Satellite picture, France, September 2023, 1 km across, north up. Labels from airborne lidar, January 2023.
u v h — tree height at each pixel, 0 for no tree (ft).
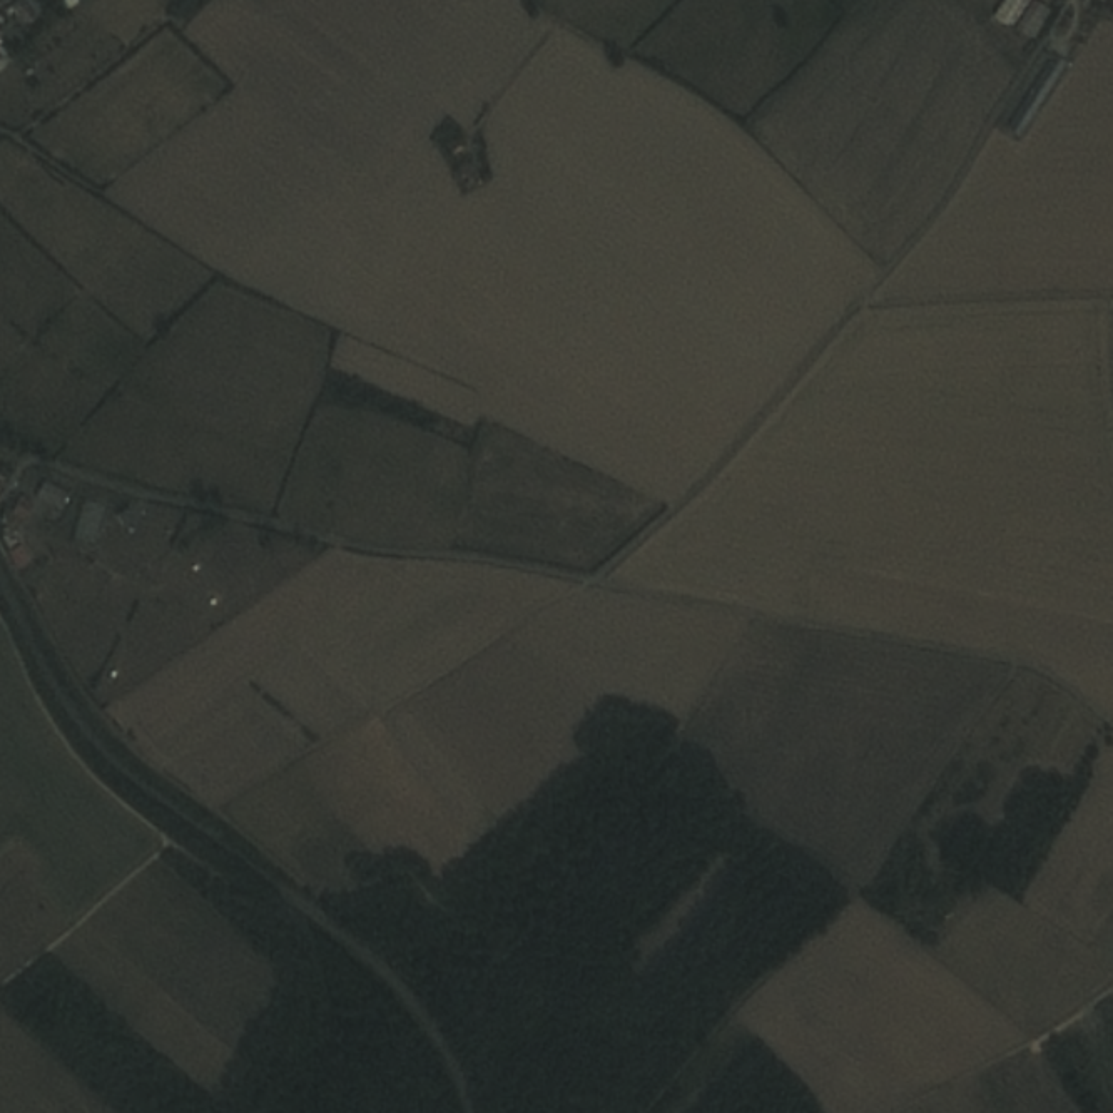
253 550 0
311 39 0
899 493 0
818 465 0
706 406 0
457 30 0
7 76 0
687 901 0
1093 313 0
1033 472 0
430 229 0
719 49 0
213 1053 0
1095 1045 0
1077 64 0
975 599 0
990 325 0
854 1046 0
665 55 0
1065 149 0
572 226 0
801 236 0
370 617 0
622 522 0
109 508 0
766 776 0
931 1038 0
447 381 0
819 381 0
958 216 0
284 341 0
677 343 0
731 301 0
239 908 45
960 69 0
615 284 0
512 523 0
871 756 0
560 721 0
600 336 0
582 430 0
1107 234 0
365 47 0
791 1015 0
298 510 0
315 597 0
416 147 0
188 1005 0
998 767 0
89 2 0
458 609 0
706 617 0
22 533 0
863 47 0
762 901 49
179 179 0
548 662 0
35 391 0
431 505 0
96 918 0
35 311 0
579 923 70
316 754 0
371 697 0
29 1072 0
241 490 0
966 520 0
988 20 0
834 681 0
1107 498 0
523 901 72
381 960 28
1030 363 0
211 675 0
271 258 0
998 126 0
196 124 0
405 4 0
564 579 0
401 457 0
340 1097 57
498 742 0
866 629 0
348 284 0
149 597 0
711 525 0
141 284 0
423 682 0
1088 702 0
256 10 0
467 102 0
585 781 53
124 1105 25
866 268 0
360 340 0
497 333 0
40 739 0
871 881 0
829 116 0
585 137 0
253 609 0
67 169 19
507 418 0
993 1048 0
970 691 0
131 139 0
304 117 0
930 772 0
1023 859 33
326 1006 40
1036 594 0
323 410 0
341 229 0
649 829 70
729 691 0
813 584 0
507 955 60
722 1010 42
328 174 0
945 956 0
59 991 30
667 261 0
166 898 0
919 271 0
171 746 0
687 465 0
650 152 0
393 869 27
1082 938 0
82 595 0
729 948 44
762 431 0
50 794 0
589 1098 47
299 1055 52
